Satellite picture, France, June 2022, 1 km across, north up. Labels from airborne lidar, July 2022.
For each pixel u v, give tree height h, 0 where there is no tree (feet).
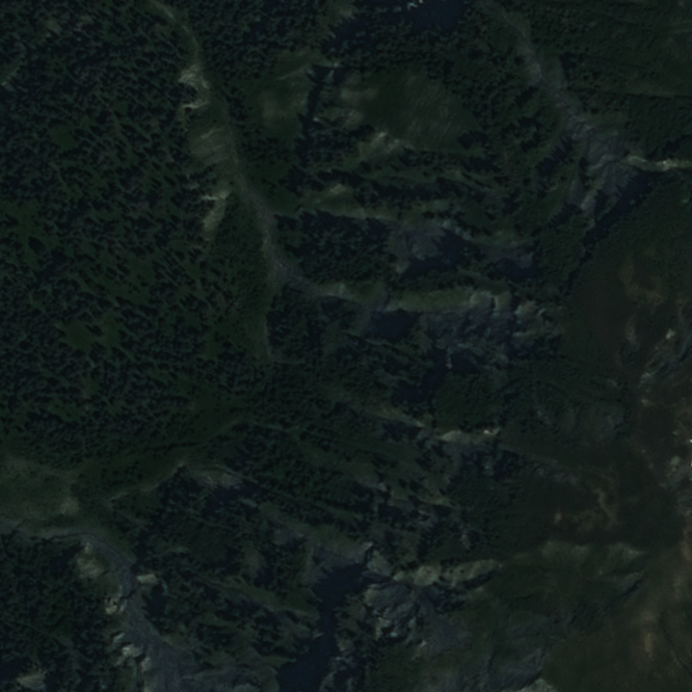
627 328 0
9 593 77
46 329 57
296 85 0
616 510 0
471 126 0
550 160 0
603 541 0
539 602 0
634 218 20
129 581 0
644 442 0
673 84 0
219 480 0
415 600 0
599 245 32
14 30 22
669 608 0
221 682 0
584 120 0
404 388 0
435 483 0
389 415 0
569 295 23
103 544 0
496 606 0
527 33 0
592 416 0
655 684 0
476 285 51
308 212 0
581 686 0
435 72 47
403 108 0
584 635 0
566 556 0
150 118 93
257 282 21
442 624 0
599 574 0
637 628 0
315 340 36
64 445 40
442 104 0
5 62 75
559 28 25
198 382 38
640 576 0
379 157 0
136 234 23
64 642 0
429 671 0
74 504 0
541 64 0
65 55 117
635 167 0
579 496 0
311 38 60
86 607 38
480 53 32
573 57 39
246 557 18
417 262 0
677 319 20
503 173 40
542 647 0
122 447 39
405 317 0
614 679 0
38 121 35
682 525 0
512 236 0
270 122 0
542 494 0
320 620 0
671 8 0
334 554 0
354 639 41
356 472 0
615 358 0
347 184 62
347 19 0
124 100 48
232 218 43
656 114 18
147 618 0
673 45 0
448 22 0
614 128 0
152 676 0
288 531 0
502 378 0
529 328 0
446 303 0
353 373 37
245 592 0
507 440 0
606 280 0
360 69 20
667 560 0
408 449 0
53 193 74
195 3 27
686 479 0
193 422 24
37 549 35
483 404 18
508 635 0
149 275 0
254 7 58
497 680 0
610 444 0
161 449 28
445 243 0
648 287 0
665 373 0
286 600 43
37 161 91
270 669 0
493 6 0
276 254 0
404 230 0
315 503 33
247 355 42
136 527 26
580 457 0
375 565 0
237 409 25
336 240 25
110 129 93
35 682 0
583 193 0
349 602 20
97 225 89
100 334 66
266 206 0
